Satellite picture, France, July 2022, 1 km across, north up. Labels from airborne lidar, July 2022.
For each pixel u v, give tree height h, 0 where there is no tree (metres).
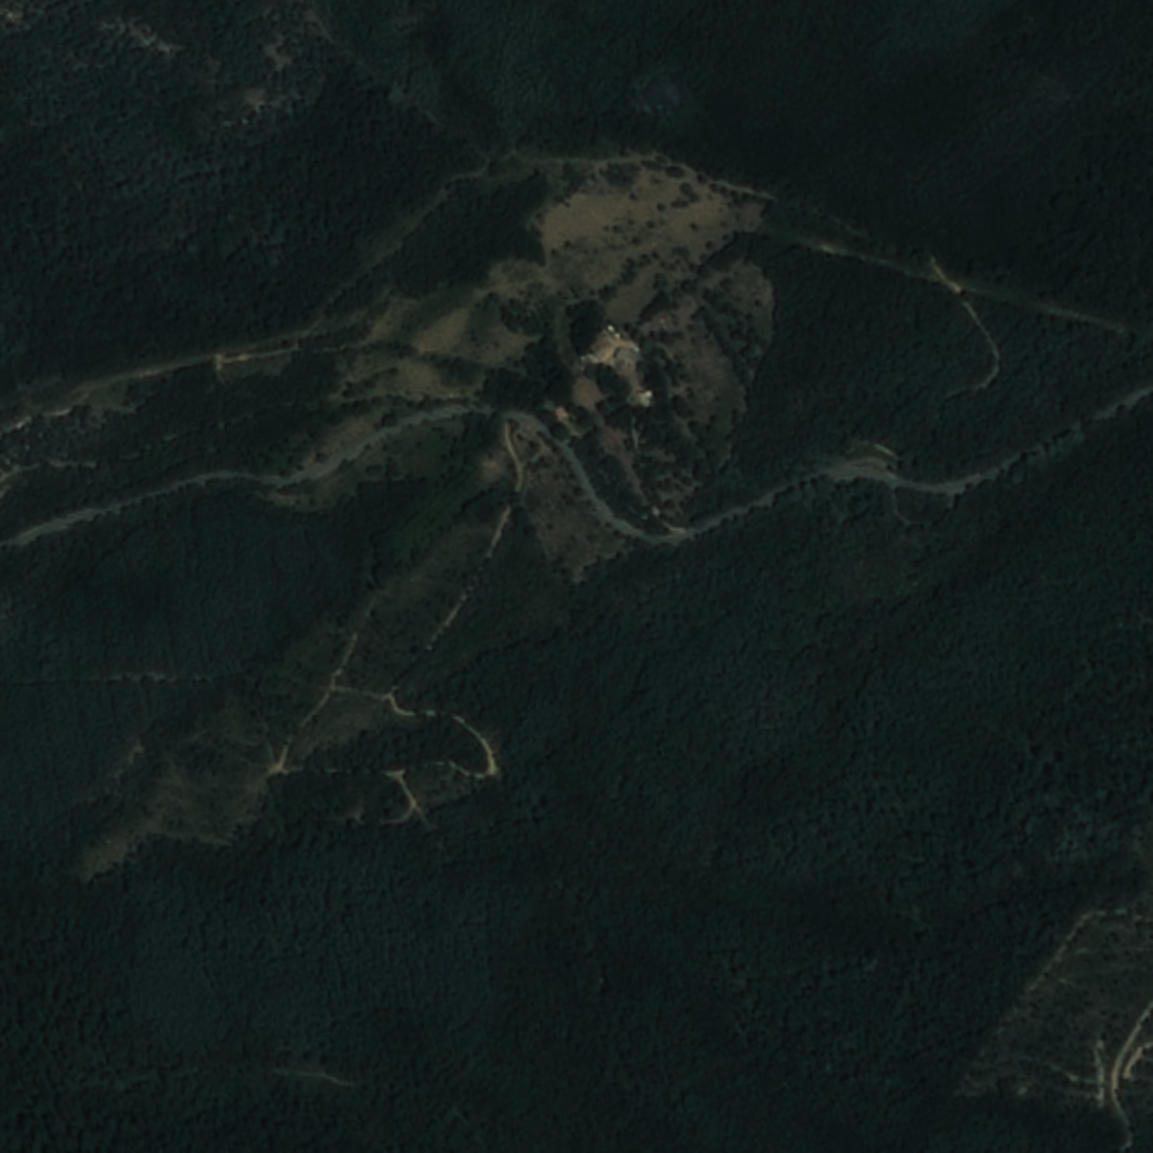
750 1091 11
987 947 18
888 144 8
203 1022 19
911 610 22
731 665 15
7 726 11
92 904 18
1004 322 10
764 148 13
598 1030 20
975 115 9
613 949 17
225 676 14
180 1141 17
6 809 11
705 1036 10
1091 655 15
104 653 8
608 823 14
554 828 13
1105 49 7
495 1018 12
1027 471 23
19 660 14
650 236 0
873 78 8
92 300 10
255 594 13
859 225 14
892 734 12
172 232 7
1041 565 14
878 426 12
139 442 9
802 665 14
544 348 14
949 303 13
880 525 13
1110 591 14
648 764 15
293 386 9
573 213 0
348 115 14
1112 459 18
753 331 11
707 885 15
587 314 10
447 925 15
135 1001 15
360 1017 13
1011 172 7
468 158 12
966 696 15
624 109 13
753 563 13
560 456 7
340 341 10
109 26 6
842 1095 14
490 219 16
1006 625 11
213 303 16
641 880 18
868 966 15
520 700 13
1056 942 21
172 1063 10
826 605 8
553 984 9
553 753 19
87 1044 17
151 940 19
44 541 15
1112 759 14
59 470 7
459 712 10
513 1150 14
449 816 18
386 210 13
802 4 8
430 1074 17
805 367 12
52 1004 20
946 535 20
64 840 14
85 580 16
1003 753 13
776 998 16
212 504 14
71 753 10
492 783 13
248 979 17
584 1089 7
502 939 17
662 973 14
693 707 15
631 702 17
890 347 15
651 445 9
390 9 7
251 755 6
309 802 17
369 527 13
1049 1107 6
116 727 9
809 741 18
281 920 17
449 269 8
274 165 14
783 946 12
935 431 12
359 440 0
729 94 8
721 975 14
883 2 9
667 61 13
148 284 18
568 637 16
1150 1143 7
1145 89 13
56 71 14
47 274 15
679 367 10
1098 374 18
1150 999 0
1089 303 8
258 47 12
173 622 14
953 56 7
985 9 13
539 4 8
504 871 19
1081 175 8
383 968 17
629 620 10
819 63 9
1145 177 14
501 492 8
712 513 16
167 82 13
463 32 14
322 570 14
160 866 18
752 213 0
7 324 13
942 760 13
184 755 6
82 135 16
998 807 12
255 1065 15
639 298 0
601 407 15
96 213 9
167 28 6
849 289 14
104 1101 10
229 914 18
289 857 19
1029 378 19
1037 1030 8
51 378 15
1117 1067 0
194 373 12
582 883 16
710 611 16
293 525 15
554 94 9
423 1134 15
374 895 18
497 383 10
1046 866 19
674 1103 14
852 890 11
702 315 8
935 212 10
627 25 10
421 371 0
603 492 8
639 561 13
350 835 16
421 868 15
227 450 13
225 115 7
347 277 13
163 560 12
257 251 12
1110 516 12
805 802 16
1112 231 13
